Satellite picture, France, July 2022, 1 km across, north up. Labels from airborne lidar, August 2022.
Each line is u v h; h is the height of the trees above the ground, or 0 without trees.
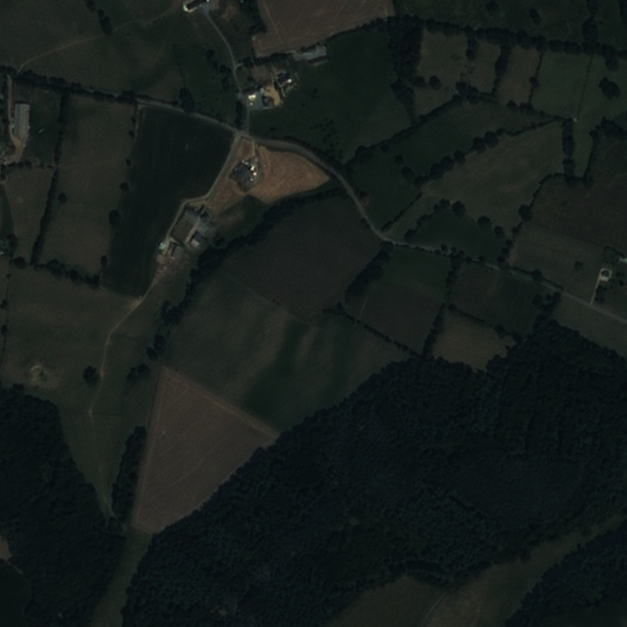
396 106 0
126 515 14
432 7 0
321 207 0
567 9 0
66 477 20
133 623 14
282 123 0
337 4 0
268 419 0
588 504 34
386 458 18
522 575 0
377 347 0
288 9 0
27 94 0
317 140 0
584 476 20
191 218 0
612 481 23
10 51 0
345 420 24
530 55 0
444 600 0
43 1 0
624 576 23
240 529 17
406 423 33
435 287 0
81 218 0
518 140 0
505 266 15
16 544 13
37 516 18
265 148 0
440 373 15
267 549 19
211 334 0
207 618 15
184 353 0
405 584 0
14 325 0
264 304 0
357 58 0
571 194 0
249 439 0
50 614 21
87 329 0
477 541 33
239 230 0
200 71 0
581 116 0
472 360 0
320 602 30
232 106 0
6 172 13
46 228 14
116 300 0
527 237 0
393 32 21
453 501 29
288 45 0
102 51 0
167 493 0
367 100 0
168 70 0
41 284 0
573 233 0
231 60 0
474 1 0
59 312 0
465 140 0
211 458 0
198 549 17
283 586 30
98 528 20
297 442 22
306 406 0
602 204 0
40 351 0
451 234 0
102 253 0
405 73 20
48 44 0
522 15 0
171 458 0
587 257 0
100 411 0
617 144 0
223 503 21
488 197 0
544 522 17
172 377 0
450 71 0
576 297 0
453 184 0
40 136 0
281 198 0
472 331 0
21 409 15
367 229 5
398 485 21
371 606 0
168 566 29
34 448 27
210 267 20
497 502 27
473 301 0
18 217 0
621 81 0
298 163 0
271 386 0
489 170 0
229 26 0
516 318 0
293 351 0
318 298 0
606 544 31
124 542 19
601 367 8
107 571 25
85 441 0
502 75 8
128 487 14
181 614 8
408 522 29
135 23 0
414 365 12
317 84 0
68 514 21
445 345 0
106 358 0
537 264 0
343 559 19
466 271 0
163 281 0
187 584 24
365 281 21
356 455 26
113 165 0
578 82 0
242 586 14
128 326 0
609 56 15
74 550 17
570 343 18
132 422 0
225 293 0
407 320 0
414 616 0
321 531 22
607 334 0
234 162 0
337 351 0
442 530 34
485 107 0
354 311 0
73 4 0
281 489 15
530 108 19
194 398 0
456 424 27
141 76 0
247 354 0
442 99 0
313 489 14
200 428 0
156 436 0
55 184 10
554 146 0
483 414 12
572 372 17
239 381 0
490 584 0
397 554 13
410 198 0
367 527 13
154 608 13
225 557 18
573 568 34
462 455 18
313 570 28
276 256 0
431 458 16
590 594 0
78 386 0
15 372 0
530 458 19
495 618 0
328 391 0
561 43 11
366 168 0
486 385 13
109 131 0
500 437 13
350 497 23
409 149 0
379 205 0
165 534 12
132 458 14
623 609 0
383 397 24
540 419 18
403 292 0
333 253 0
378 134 0
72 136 0
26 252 0
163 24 0
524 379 9
